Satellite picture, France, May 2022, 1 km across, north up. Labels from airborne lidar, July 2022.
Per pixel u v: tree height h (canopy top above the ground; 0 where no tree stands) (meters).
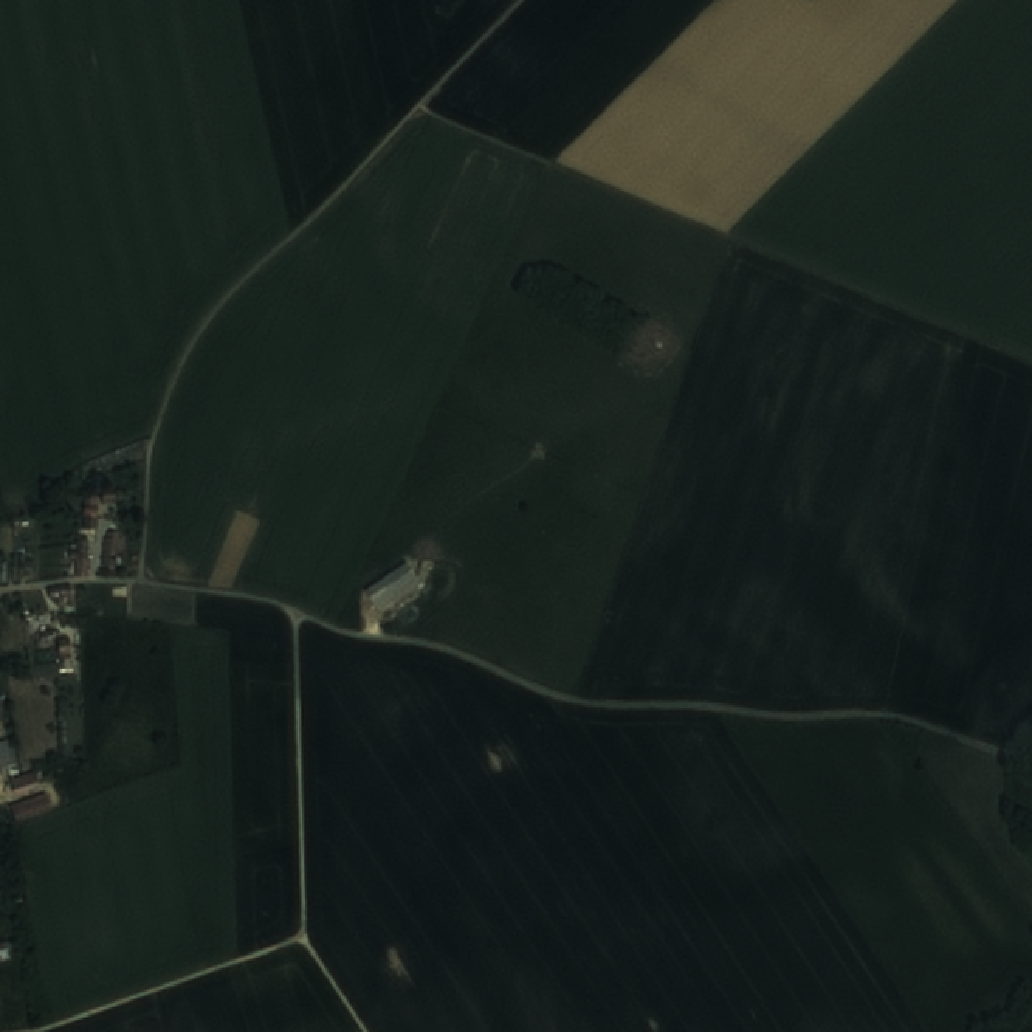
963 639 0
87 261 0
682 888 0
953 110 0
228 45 0
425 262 0
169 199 0
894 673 0
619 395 0
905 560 0
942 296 0
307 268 0
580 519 0
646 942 0
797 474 0
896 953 0
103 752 0
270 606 0
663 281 0
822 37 0
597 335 16
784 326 0
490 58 0
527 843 0
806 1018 0
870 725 0
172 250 0
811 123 0
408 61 0
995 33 0
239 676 0
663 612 0
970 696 0
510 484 0
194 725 0
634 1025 0
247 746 0
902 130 0
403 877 0
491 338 0
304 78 0
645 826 0
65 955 0
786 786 0
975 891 0
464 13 0
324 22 0
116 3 0
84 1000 0
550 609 0
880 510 0
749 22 0
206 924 0
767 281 0
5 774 0
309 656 0
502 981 0
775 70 0
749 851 0
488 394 0
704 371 0
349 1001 0
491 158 0
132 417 0
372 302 0
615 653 0
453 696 0
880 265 0
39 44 0
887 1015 0
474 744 0
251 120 0
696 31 0
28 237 0
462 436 0
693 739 0
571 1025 0
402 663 0
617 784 0
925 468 0
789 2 0
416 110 0
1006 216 0
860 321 0
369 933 0
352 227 0
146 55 0
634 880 0
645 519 0
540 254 0
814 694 0
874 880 0
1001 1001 0
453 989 0
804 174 0
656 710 0
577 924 0
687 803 0
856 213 0
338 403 0
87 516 0
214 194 0
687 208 0
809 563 0
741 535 0
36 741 0
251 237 0
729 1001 0
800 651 0
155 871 0
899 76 0
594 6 0
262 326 0
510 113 0
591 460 0
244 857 0
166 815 0
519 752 0
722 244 0
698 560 0
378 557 0
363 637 0
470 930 0
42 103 0
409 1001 0
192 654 0
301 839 0
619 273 0
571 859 0
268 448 0
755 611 0
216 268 0
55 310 0
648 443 0
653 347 0
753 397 0
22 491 0
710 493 0
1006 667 0
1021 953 0
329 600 0
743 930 0
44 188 0
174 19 0
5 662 10
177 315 0
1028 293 0
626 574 0
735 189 0
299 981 0
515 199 0
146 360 0
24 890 9
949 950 0
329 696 0
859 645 0
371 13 0
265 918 0
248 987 0
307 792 0
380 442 0
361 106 0
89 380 0
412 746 0
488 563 0
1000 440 0
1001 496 0
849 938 0
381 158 0
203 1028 0
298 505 0
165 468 0
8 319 0
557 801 0
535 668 0
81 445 0
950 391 0
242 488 0
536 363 0
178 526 0
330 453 0
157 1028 0
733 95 0
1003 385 0
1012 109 0
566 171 0
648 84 0
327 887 0
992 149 0
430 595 0
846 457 0
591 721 0
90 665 0
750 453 0
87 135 0
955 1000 0
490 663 0
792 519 0
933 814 0
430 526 0
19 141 0
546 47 0
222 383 0
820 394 0
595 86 0
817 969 0
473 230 0
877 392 0
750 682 0
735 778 0
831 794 0
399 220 0
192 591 0
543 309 17
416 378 0
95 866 0
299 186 0
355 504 0
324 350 0
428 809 0
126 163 0
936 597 0
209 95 0
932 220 0
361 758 0
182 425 0
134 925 0
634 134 0
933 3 0
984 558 0
